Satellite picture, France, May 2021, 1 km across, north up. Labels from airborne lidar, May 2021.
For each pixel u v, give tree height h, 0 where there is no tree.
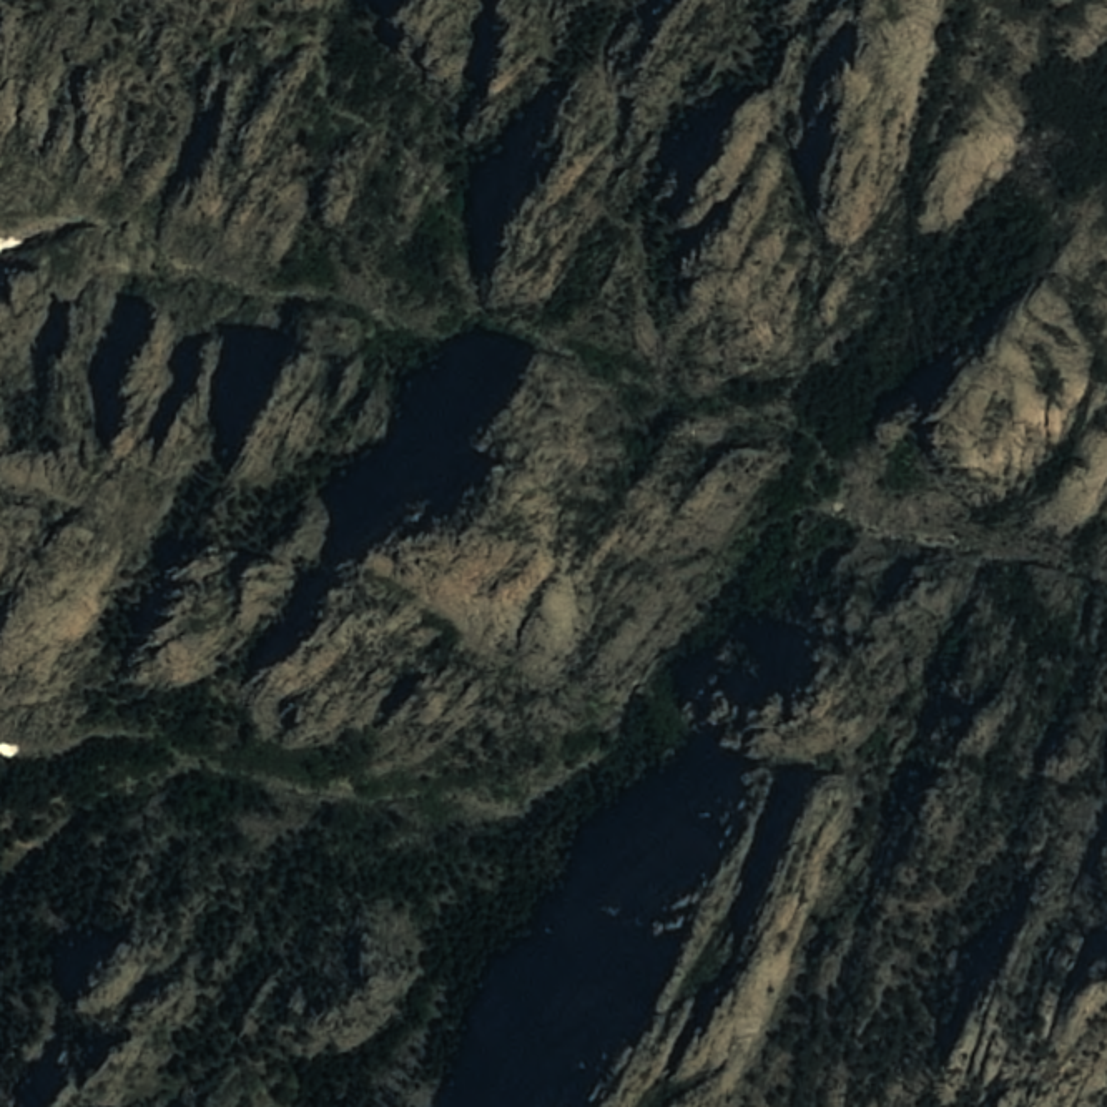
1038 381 0
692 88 11
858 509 0
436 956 16
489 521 12
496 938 23
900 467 8
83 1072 9
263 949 7
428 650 9
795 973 0
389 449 26
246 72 11
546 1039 7
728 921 5
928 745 8
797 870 9
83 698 12
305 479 12
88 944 16
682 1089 9
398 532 7
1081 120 16
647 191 25
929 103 27
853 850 12
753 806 13
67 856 9
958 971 13
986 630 8
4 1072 12
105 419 9
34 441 23
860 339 18
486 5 9
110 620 24
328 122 10
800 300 7
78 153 7
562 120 15
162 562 7
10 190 0
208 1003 17
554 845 16
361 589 14
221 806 22
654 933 9
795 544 9
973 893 13
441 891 13
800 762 7
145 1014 16
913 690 12
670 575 0
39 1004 15
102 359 7
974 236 19
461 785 8
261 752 12
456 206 14
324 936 7
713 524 0
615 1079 9
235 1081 9
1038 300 0
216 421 13
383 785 11
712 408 12
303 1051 9
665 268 19
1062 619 8
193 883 13
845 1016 23
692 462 7
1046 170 13
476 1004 19
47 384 11
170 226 0
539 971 31
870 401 14
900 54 0
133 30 8
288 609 13
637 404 10
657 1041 7
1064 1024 0
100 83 9
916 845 9
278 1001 25
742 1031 0
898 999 27
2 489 8
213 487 29
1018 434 0
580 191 7
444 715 9
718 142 7
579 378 7
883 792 6
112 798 9
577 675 24
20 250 10
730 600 14
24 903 19
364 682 9
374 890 22
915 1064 15
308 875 22
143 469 8
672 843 0
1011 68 7
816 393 14
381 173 10
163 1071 16
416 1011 12
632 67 12
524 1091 9
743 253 8
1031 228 15
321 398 17
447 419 10
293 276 10
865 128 0
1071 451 8
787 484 12
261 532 28
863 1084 10
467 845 9
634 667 17
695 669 10
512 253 9
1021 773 14
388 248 7
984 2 0
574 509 8
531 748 6
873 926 11
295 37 12
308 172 16
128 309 10
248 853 13
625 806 21
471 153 10
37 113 15
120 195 6
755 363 10
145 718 36
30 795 26
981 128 0
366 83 7
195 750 10
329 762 9
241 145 12
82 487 11
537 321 9
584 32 18
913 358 10
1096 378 8
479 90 12
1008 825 15
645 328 0
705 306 17
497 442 13
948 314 24
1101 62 24
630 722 15
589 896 6
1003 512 7
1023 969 9
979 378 0
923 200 13
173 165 16
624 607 7
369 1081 10
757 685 9
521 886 16
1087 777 12
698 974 10
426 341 8
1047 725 10
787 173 9
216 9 22
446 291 7
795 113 20
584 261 10
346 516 26
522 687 7
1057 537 7
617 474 14
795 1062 7
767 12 10
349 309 13
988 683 6
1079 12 12
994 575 14
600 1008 6
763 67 13
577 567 6
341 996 15
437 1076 14
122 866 15
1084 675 10
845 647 7
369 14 26
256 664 7
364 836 18
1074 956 14
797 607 10
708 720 13
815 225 7
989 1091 10
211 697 9
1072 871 5
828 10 6
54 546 6
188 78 14
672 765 12
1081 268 0
